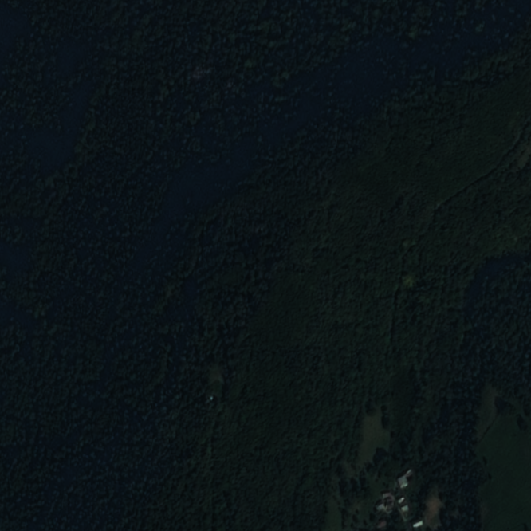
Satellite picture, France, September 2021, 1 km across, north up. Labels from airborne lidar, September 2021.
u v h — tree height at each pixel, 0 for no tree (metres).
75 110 29
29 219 24
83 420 23
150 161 7
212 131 19
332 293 11
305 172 24
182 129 15
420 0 9
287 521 29
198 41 29
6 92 28
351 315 17
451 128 20
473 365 26
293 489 15
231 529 31
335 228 25
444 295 27
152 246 18
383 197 25
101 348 29
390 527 16
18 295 27
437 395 24
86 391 21
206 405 17
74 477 23
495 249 19
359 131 28
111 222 8
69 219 17
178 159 19
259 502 24
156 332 29
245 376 27
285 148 31
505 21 24
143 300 25
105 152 17
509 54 27
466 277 22
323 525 22
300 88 26
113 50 27
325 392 21
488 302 27
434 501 0
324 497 20
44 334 29
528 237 14
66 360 26
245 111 30
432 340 27
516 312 32
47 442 22
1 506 30
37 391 26
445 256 24
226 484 28
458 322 24
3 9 34
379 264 22
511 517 0
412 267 6
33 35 34
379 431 0
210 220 30
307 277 23
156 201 20
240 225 25
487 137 18
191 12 27
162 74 22
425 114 14
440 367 26
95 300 20
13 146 29
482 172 17
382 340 21
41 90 26
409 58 19
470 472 21
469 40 23
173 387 19
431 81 32
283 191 27
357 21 26
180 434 9
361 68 24
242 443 27
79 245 23
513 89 23
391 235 26
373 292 16
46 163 29
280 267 22
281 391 25
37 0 24
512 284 28
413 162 12
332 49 26
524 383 16
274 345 33
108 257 15
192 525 23
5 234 28
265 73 25
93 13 24
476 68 28
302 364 25
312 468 19
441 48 27
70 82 32
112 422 22
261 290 22
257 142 35
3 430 32
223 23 22
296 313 23
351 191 22
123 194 14
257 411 18
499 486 0
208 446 17
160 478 18
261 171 35
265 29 41
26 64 27
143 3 19
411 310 11
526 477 0
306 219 15
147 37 18
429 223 19
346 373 19
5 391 30
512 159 21
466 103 23
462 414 8
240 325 23
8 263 32
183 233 34
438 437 16
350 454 18
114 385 31
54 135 27
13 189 24
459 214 18
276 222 21
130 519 18
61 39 30
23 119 30
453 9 7
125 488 30
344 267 14
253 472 27
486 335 24
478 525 10
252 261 21
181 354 12
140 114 19
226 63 23
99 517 22
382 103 30
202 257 24
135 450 26
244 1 29
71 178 28
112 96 16
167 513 29
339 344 25
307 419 23
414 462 15
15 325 38
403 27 23
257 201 26
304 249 14
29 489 20
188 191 23
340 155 31
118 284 15
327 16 27
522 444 0
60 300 12
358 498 21
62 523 29
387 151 15
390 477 9
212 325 21
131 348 32
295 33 23
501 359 33
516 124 10
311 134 21
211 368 20
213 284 29
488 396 0
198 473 23
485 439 0
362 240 17
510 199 25
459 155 18
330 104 34
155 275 29
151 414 22
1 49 27
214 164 27
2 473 27
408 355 26
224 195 27
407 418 7
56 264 17
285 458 26
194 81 20
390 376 24
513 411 10
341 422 17
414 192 19
